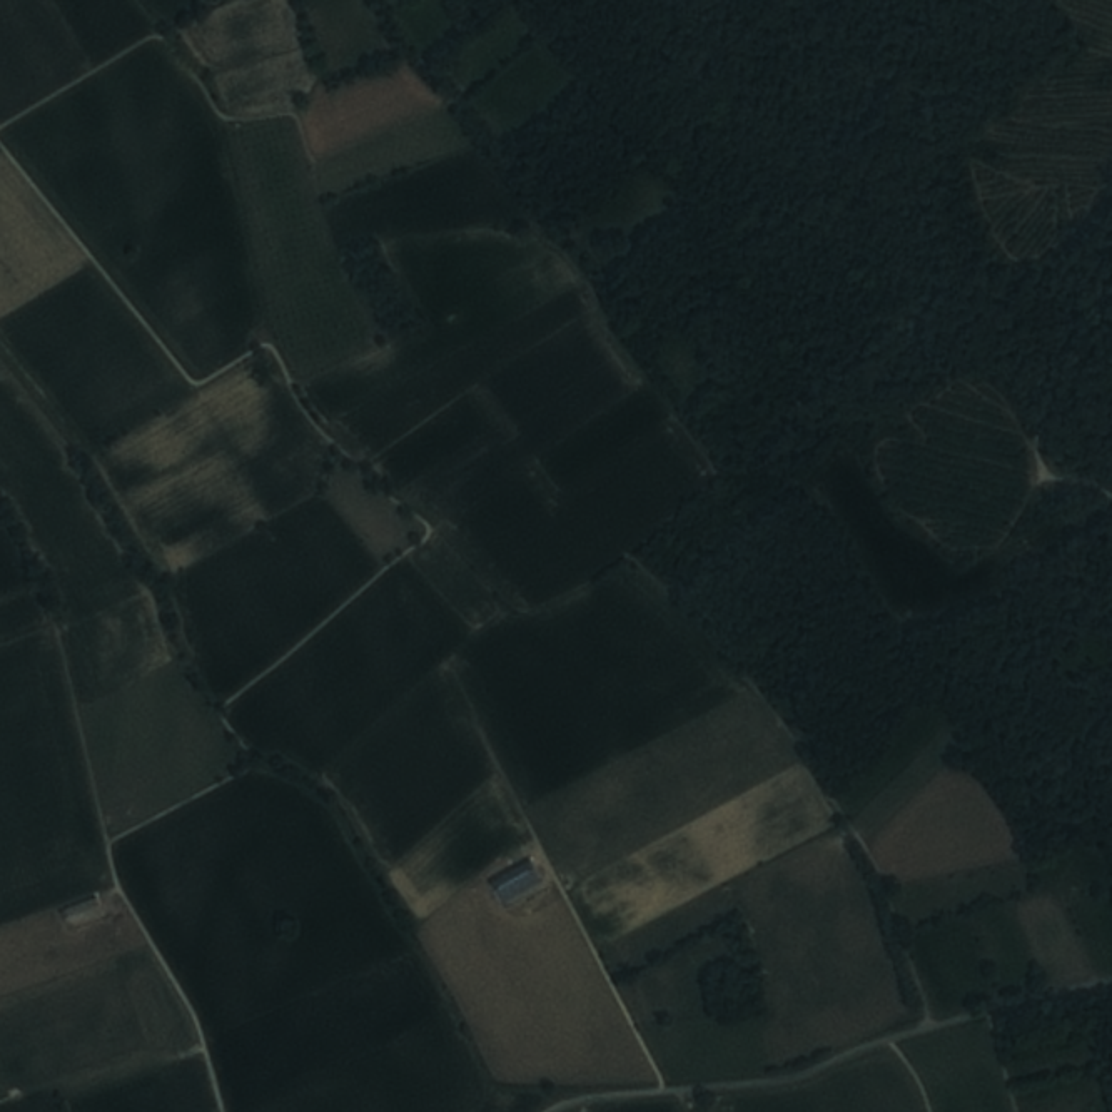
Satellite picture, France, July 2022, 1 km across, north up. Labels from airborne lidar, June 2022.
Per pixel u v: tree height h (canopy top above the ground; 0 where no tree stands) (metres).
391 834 0
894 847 0
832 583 24
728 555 23
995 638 9
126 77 0
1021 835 28
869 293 19
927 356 31
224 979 0
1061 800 9
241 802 0
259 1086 0
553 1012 0
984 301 26
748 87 18
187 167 0
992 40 17
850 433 6
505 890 0
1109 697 7
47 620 0
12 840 0
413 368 0
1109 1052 15
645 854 0
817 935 0
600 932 0
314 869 0
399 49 15
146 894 0
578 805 0
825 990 0
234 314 0
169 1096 0
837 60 25
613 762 0
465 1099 0
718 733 0
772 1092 0
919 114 26
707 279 18
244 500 0
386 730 0
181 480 0
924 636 20
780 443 23
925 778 0
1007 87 22
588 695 0
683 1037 0
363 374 0
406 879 0
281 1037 0
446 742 0
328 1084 0
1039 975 17
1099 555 19
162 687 0
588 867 0
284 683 0
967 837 0
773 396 6
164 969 0
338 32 0
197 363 0
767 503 10
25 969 0
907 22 22
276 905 0
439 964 0
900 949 19
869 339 21
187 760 0
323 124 0
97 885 0
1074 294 13
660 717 0
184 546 0
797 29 15
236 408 0
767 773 0
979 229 20
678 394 8
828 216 17
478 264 0
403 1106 0
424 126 0
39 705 0
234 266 0
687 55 23
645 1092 0
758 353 20
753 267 22
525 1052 0
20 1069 0
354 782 0
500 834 0
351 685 0
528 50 10
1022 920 0
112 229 0
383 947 0
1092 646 0
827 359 14
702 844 0
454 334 0
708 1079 0
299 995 0
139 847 0
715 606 28
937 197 23
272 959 0
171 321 0
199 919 0
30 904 0
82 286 0
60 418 0
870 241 11
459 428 0
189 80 0
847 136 24
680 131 26
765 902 0
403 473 0
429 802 0
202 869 0
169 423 0
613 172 25
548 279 0
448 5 20
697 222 26
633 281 29
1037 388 16
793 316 17
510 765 0
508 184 20
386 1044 0
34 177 0
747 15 12
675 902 0
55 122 0
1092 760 20
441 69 22
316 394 0
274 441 0
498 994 0
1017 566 15
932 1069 0
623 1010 0
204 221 0
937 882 0
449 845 0
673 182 16
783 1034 0
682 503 10
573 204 24
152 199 0
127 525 25
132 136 0
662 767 0
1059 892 0
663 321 16
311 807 0
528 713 0
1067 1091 0
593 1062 0
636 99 26
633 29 24
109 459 0
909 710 14
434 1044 0
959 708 17
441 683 0
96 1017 0
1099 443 24
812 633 19
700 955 0
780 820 0
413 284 0
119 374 0
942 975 0
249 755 11
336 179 0
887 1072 0
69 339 0
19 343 0
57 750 0
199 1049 0
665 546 9
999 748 18
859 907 0
